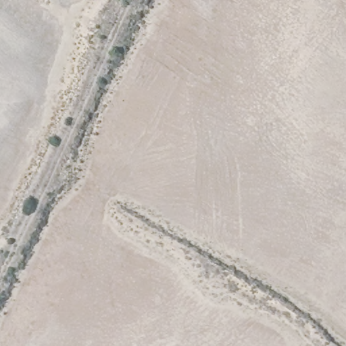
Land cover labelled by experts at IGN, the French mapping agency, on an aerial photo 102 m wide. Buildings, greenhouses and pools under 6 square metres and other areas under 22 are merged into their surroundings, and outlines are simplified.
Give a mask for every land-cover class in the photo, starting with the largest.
<instances>
[{"label":"pervious surface","instance_id":"1","mask_svg":"<svg viewBox=\"0 0 346 346\"><path fill-rule=\"evenodd\" d=\"M130 8L123 5L120 0H0V292L8 288L4 276L9 268L19 264L23 246L41 219L35 212L30 215L23 214L24 201L28 197H35L39 203L45 205L47 193L64 185L68 178L66 166L73 155L69 145L76 138L77 128L85 119V112L93 108L97 81L107 74L109 53L114 49L128 23ZM154 7L145 16L146 26L134 35V45L124 55L122 65L115 70L114 80L107 85V93L97 109L99 115L92 120L93 131L99 132V135H91L89 138L95 149L85 162L86 169L82 170L70 192L65 193L64 199L54 204L49 222L43 227L39 242L34 246L26 268L16 273L19 280L11 297L0 311V346H334L312 326V323L301 318L280 300L273 299L268 292L247 284L234 276L231 270H223L215 262L201 257L191 247L181 245L165 237L162 232L146 226L134 215L120 209L115 201H123L151 222L159 224L165 230L172 228L178 237L189 239L226 264L237 266V269L247 276L258 278L264 284L270 285L274 291L287 296L297 307L311 314L312 318L320 320L332 337L345 346H346V0H153Z\"/></svg>","mask_w":346,"mask_h":346},{"label":"brushwood","instance_id":"2","mask_svg":"<svg viewBox=\"0 0 346 346\"><path fill-rule=\"evenodd\" d=\"M123 5L130 8L128 23L114 49L109 53L107 74L97 81L93 108L85 112V119L77 128L76 138L69 145L73 155L66 166L68 178L64 185L47 193L45 205L39 203L35 197H28L24 201L23 214L30 215L35 212L41 219L23 246L19 264L9 268L4 276L8 288L0 292V311L11 297L19 280L16 273L26 268L34 246L39 242L43 227L49 222L54 204L64 199L65 193L70 192L82 170L86 169L85 162L95 149L89 138L91 135H99V132L93 131L92 120L99 115L97 109L107 93V85L114 80L115 70L122 65L124 55L134 45V35L146 26L145 16L154 7L153 0H120ZM120 209L134 215L146 226L162 232L165 237L181 245L191 247L201 257L215 262L223 270H231L234 276L247 284L268 292L273 299L280 300L301 318L312 323V326L334 346H345L332 337L320 320L312 318L311 314L297 307L287 296L274 291L270 285L264 284L258 278L247 276L237 269V266L226 264L189 239L178 237L172 228L165 230L159 224L151 222L123 201H115Z\"/></svg>","mask_w":346,"mask_h":346}]
</instances>
